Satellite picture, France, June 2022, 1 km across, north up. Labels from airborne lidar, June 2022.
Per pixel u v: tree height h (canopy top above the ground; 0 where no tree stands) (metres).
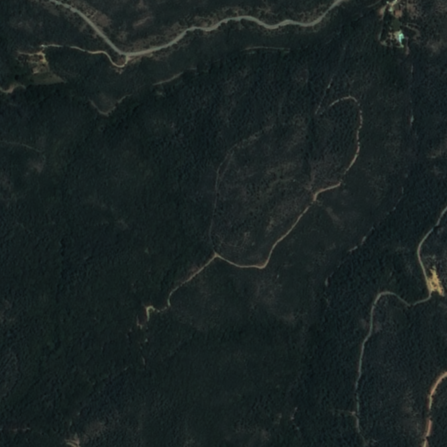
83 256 11
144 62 9
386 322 13
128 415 9
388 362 10
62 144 9
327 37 6
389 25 9
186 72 9
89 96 7
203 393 10
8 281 8
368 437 7
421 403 15
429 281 0
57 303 15
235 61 10
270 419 6
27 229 7
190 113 9
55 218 10
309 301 7
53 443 13
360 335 9
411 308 18
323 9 6
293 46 8
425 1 12
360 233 8
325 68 8
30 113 9
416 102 6
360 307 11
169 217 11
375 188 7
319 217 13
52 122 7
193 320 7
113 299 10
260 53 12
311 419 11
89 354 10
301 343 11
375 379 15
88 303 15
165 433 8
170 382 10
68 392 12
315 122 7
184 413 17
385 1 13
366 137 10
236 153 7
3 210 9
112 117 9
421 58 6
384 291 7
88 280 11
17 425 22
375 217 8
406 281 10
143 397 11
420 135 10
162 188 12
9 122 9
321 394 11
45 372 10
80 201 7
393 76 8
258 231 9
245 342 8
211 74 14
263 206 10
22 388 15
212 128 8
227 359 8
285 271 7
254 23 9
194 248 7
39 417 12
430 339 12
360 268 11
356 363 8
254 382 9
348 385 7
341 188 6
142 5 0
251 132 8
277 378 7
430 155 8
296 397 16
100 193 6
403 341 13
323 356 17
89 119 12
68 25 7
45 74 0
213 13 6
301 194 7
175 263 9
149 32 6
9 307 6
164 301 7
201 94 9
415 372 11
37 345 13
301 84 13
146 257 10
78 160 14
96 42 8
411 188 9
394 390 9
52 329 15
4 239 15
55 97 16
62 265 19
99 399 9
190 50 6
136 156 11
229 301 6
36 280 9
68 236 11
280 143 7
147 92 14
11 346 16
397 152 8
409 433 6
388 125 10
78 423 8
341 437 7
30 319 14
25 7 5
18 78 20
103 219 10
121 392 15
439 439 15
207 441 12
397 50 14
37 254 13
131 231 10
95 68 6
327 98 13
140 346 13
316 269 9
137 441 11
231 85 9
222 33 6
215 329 8
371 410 8
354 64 8
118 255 15
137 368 10
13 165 10
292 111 11
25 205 9
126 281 8
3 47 13
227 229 8
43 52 8
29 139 7
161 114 8
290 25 7
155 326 11
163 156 8
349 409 10
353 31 13
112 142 16
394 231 6
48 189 8
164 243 11
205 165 10
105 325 12
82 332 11
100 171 10
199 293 5
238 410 6
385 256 9
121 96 7
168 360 12
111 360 10
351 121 14
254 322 8
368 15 10
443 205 10
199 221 6
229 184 6
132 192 9
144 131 7
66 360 9
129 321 12
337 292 6
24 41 8
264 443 8
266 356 6
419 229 9
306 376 15
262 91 12
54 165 11
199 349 7
